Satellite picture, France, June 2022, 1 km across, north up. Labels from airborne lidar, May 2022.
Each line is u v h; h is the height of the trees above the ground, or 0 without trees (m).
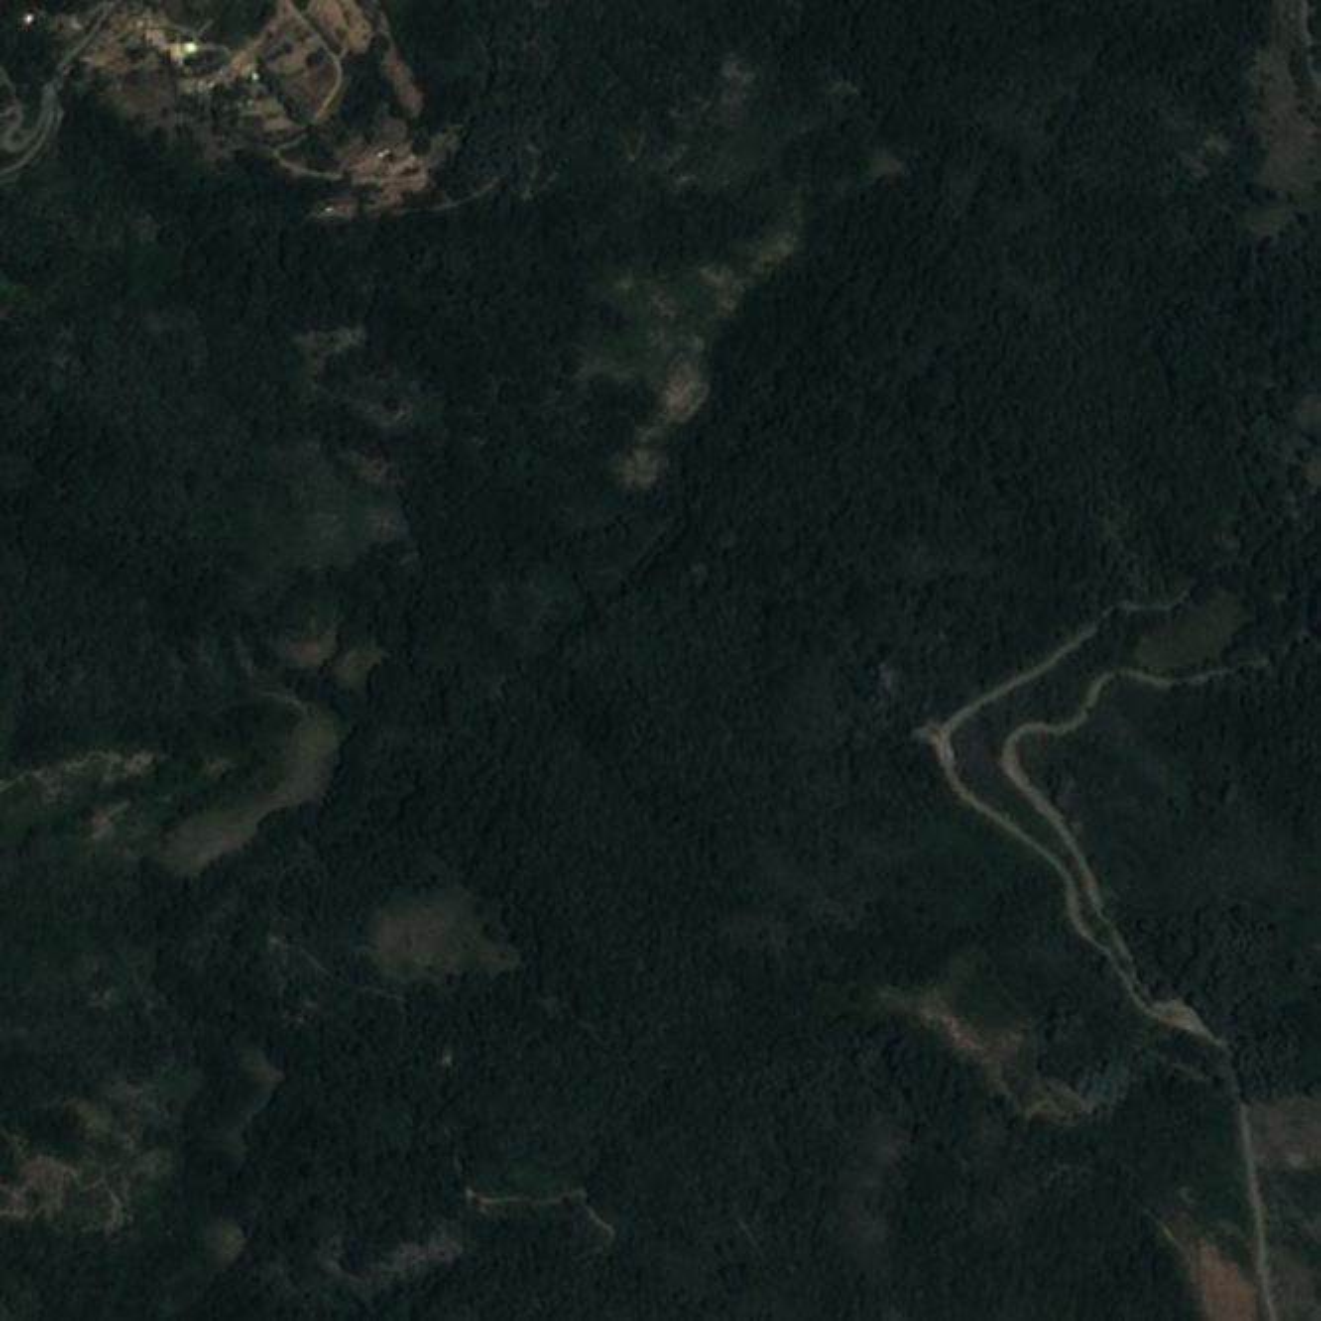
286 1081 15
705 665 10
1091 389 7
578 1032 9
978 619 9
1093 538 7
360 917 9
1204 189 13
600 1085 12
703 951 11
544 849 11
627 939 14
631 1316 7
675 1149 9
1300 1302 0
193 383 11
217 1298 19
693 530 16
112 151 8
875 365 11
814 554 12
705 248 11
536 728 8
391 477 8
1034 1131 12
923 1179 15
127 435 12
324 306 13
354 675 0
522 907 15
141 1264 8
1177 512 13
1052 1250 9
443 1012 12
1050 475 9
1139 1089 10
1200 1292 0
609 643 14
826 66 6
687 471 18
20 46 8
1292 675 9
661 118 9
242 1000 9
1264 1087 18
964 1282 8
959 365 9
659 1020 9
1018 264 8
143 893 8
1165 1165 9
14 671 10
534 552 14
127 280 13
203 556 12
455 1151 9
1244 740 6
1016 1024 0
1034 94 10
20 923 10
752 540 12
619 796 10
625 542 20
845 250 15
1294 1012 13
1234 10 16
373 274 11
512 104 20
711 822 6
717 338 9
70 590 13
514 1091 10
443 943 0
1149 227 17
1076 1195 10
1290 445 25
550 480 11
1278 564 17
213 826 0
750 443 15
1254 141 9
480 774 11
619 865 10
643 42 12
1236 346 25
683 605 12
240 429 8
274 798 0
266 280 12
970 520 10
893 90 20
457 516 7
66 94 10
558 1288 11
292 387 9
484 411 8
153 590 27
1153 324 15
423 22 10
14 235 18
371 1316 11
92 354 15
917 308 9
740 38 13
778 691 12
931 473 11
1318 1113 0
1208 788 7
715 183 0
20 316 6
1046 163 7
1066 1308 10
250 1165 17
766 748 8
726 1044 12
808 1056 10
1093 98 7
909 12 14
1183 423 12
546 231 11
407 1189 8
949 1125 8
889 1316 7
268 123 0
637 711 14
